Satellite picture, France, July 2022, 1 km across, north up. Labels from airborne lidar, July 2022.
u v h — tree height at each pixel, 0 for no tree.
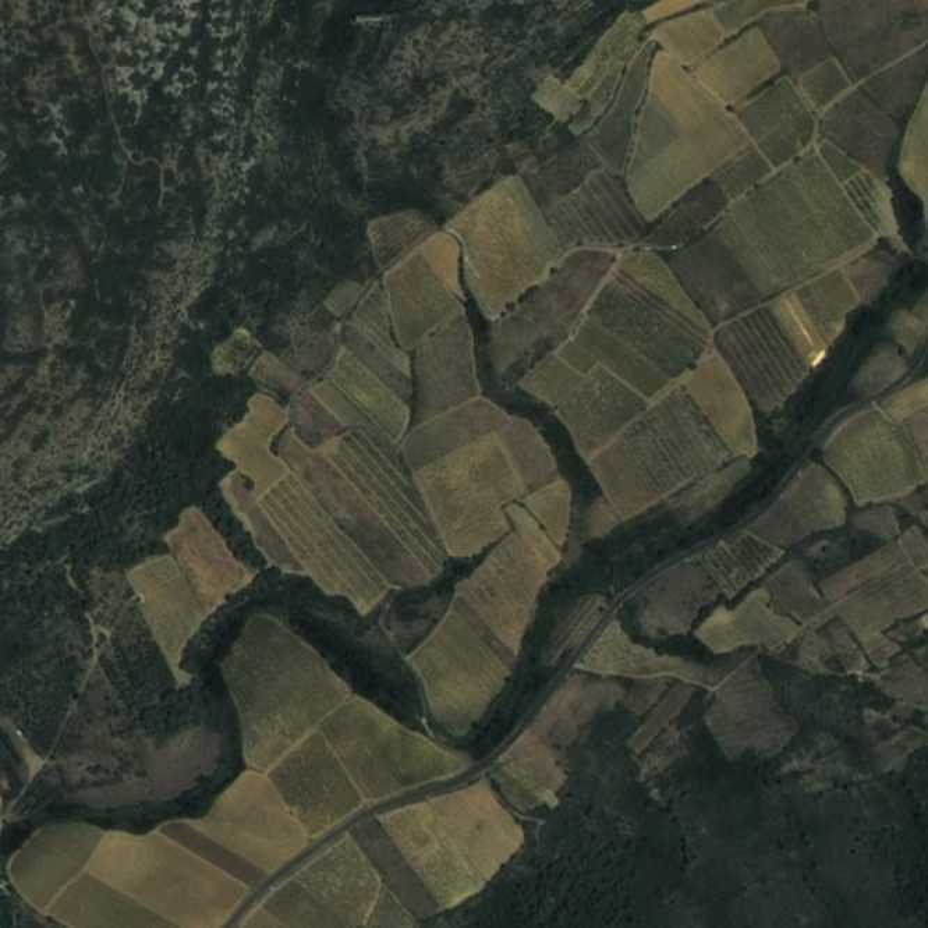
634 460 0
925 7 0
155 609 0
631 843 8
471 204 0
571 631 0
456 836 0
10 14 0
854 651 0
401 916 0
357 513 0
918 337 0
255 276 6
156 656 10
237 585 0
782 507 0
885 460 0
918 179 0
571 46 11
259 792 0
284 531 0
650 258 0
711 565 0
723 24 0
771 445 7
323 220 6
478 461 0
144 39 0
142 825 6
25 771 0
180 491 13
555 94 0
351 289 0
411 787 0
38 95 0
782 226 0
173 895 0
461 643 0
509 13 6
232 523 14
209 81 0
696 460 0
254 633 0
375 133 0
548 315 0
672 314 0
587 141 0
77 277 0
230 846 0
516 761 0
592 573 6
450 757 0
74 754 0
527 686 6
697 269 0
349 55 0
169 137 0
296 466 0
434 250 0
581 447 0
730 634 0
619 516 0
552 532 0
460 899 0
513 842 0
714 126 0
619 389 0
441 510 0
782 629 0
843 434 0
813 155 0
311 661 0
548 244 0
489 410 0
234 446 0
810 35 0
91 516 9
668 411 0
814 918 0
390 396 0
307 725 0
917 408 0
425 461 0
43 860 0
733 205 0
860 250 0
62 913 0
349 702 0
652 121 0
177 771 0
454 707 0
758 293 0
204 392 5
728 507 14
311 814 0
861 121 0
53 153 0
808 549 0
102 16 0
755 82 0
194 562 0
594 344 0
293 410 0
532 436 0
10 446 0
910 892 10
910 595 0
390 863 0
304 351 0
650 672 0
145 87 0
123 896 0
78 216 0
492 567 0
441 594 11
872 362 0
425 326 0
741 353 0
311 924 0
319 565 0
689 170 0
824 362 8
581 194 0
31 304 0
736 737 0
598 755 0
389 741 0
